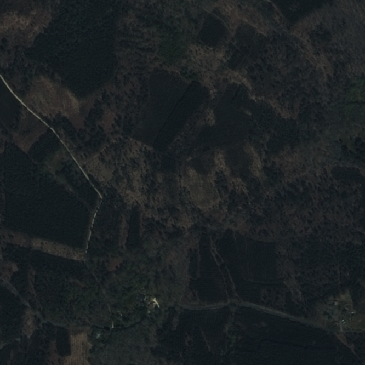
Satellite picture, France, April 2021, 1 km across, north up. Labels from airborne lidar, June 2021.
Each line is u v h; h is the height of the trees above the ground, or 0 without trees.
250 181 9
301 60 7
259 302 10
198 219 9
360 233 6
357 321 0
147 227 7
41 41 13
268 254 9
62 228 17
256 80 13
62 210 17
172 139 12
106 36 25
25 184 22
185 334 9
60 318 5
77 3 15
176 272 13
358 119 18
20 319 10
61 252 0
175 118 10
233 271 10
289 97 20
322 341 10
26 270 20
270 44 12
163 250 15
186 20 14
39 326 9
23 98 12
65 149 9
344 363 8
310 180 12
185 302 7
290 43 18
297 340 10
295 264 18
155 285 17
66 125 19
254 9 7
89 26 16
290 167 11
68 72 19
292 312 10
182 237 15
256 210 6
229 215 11
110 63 19
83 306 18
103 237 15
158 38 10
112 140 9
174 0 14
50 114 0
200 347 16
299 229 7
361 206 9
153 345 11
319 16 12
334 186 11
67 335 11
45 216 17
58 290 21
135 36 6
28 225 17
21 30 8
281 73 12
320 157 16
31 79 21
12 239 14
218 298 9
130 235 13
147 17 13
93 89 17
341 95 10
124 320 10
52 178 18
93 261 11
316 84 11
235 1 15
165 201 7
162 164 7
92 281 13
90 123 20
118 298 10
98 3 12
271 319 8
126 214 6
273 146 20
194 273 15
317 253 14
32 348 9
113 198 16
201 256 8
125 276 19
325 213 7
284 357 18
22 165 20
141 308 6
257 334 8
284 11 12
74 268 10
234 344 15
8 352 8
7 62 11
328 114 26
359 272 13
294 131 18
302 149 13
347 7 12
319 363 17
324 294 11
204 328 7
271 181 13
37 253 11
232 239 8
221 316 7
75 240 20
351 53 7
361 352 16
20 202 17
